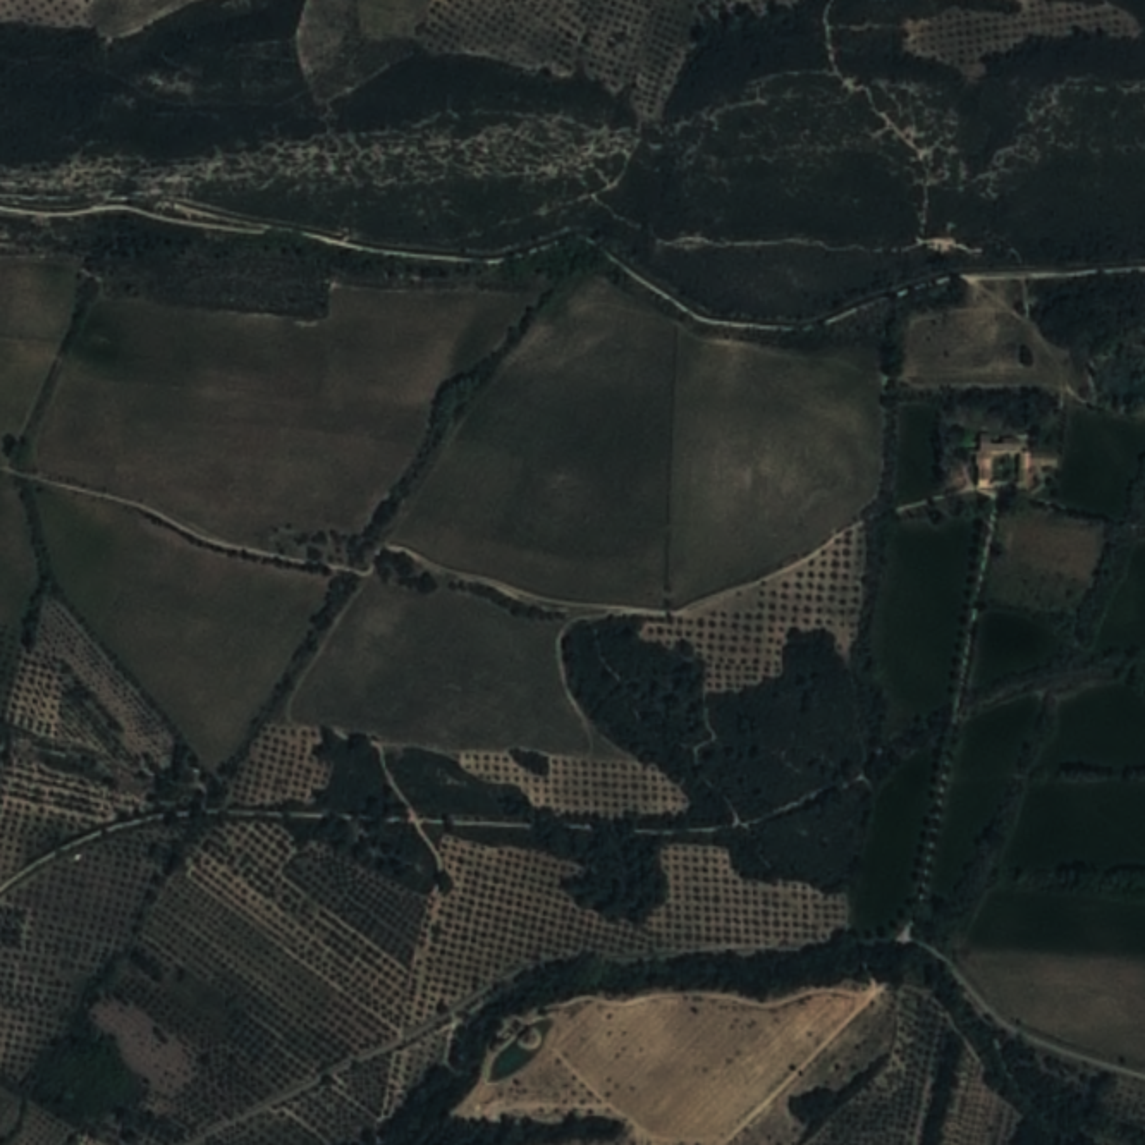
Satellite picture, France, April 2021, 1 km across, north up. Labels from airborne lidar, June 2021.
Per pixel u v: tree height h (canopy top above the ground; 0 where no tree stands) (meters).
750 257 0
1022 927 0
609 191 0
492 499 0
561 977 11
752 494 0
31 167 0
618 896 15
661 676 7
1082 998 0
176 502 0
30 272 0
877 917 0
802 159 0
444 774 0
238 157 0
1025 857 0
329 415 0
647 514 0
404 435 0
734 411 0
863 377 0
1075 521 8
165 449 0
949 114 0
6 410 0
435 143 0
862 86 0
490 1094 0
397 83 0
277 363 0
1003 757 0
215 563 0
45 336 0
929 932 14
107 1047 7
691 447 0
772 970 7
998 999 0
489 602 0
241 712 0
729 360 0
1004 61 7
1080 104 0
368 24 0
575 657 11
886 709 11
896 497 7
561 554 0
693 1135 0
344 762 0
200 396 0
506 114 0
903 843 0
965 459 10
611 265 8
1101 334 8
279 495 0
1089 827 0
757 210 0
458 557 0
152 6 0
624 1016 0
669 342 0
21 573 0
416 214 0
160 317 0
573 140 0
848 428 0
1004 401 13
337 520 0
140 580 0
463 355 0
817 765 8
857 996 0
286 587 0
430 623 0
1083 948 0
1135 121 0
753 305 0
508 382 0
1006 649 0
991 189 0
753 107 0
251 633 0
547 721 0
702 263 0
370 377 0
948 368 0
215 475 0
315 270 0
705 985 8
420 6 0
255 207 0
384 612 0
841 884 10
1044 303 7
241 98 0
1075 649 8
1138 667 8
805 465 0
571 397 0
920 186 0
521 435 0
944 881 0
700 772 11
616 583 0
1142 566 0
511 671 0
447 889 15
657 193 0
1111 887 8
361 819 7
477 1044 12
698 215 0
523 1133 11
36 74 0
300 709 0
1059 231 0
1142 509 11
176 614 0
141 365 0
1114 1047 0
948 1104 8
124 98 0
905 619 0
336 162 0
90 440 0
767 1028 0
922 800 0
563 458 0
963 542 0
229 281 0
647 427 0
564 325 0
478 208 0
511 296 0
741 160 0
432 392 0
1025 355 7
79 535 0
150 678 0
